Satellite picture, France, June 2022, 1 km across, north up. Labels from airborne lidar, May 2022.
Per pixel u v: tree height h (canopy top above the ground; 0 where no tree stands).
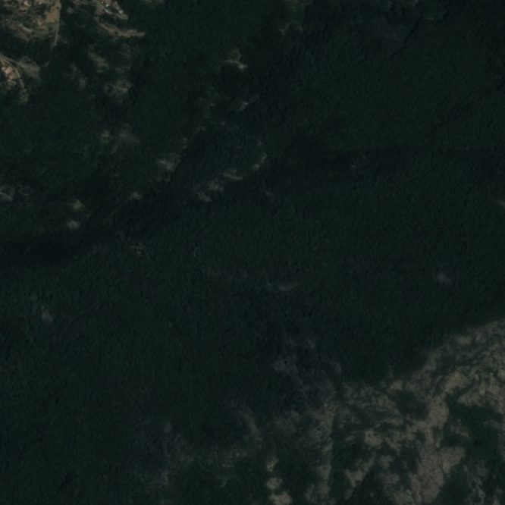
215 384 12
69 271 15
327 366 10
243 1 19
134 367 14
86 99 11
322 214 22
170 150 14
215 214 18
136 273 11
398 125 23
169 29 18
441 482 0
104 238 16
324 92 20
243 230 16
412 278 11
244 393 12
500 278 16
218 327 16
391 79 18
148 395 7
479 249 20
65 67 6
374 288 16
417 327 15
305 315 21
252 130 10
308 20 17
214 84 10
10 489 16
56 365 14
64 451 19
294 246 13
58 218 16
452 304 11
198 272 15
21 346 21
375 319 15
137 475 8
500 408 0
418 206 16
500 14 9
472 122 22
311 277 9
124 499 6
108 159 12
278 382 14
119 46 7
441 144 23
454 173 15
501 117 18
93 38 8
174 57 24
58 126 13
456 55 21
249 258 11
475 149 18
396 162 22
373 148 17
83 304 11
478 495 7
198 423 9
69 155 19
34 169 23
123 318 14
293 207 22
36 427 17
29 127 18
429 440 0
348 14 12
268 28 22
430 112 19
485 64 10
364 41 15
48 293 13
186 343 18
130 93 15
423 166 18
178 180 19
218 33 20
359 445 7
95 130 9
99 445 20
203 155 13
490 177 13
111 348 12
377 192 16
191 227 19
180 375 14
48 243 13
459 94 21
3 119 8
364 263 10
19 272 17
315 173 21
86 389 11
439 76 23
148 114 12
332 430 6
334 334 18
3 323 14
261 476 10
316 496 7
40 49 9
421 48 16
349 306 12
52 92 17
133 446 11
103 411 14
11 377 14
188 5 16
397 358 12
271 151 17
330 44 24
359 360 18
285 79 19
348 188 13
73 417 16
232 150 16
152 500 12
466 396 0
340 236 18
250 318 14
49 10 5
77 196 12
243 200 14
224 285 14
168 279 15
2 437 16
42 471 17
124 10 9
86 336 14
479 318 6
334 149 25
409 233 22
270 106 18
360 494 13
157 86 18
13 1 7
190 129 18
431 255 13
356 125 21
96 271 9
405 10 17
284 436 8
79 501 20
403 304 11
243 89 17
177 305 10
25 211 11
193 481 12
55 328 10
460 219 22
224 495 16
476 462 6
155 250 12
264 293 13
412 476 0
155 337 14
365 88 17
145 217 10
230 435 6
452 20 17
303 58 13
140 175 15
